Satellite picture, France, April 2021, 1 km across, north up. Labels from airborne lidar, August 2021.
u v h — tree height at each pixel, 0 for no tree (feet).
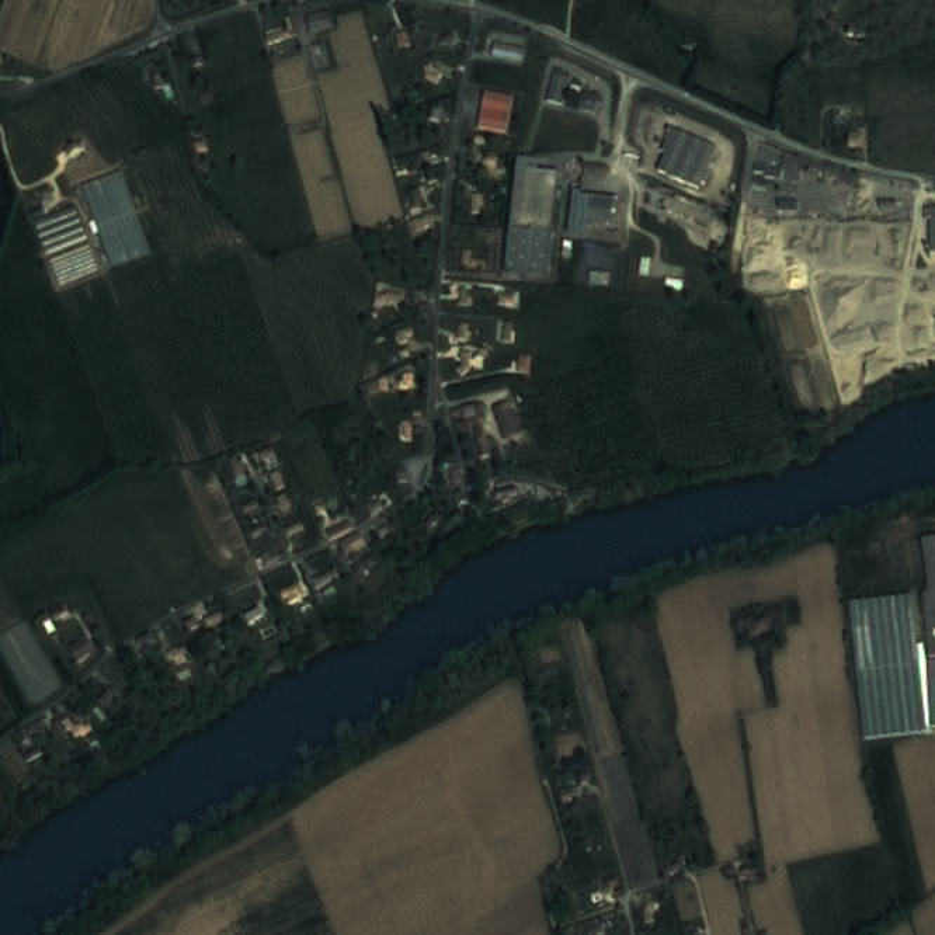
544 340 0
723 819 0
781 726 0
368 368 0
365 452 24
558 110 0
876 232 0
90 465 0
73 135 0
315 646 30
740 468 51
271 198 0
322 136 0
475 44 0
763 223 0
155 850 27
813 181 0
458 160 37
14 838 54
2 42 0
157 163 0
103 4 0
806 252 0
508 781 0
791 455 54
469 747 0
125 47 0
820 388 0
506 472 74
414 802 0
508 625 68
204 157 28
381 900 0
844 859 0
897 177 0
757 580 0
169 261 0
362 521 56
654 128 0
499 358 0
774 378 44
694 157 0
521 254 0
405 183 30
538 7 0
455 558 51
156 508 0
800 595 0
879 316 0
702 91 45
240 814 60
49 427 0
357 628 28
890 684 0
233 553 0
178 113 25
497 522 52
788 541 57
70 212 0
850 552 0
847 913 0
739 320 0
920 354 0
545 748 56
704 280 0
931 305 0
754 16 0
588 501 28
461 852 0
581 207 0
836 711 0
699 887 0
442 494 40
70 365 0
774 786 0
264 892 0
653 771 0
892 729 0
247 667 50
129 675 24
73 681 37
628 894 0
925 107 0
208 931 0
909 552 0
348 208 0
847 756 0
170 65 28
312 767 52
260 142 0
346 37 0
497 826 0
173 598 0
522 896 0
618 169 0
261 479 0
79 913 22
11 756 0
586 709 0
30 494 0
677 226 21
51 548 0
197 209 0
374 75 0
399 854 0
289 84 0
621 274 0
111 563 0
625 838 0
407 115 73
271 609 48
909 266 0
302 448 0
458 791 0
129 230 0
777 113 46
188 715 22
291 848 0
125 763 75
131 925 0
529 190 0
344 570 23
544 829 0
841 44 53
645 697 0
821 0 62
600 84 0
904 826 0
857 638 0
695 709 0
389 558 55
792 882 0
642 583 73
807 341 0
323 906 0
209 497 0
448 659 89
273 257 20
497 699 0
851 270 0
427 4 0
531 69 0
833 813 0
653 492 19
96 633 49
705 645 0
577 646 0
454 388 25
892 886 0
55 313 0
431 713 45
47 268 39
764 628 0
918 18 79
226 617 31
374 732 71
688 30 30
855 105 0
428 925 0
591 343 0
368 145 0
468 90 0
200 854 47
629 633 0
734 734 0
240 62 0
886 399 51
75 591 0
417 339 0
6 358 0
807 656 0
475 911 0
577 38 0
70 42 0
